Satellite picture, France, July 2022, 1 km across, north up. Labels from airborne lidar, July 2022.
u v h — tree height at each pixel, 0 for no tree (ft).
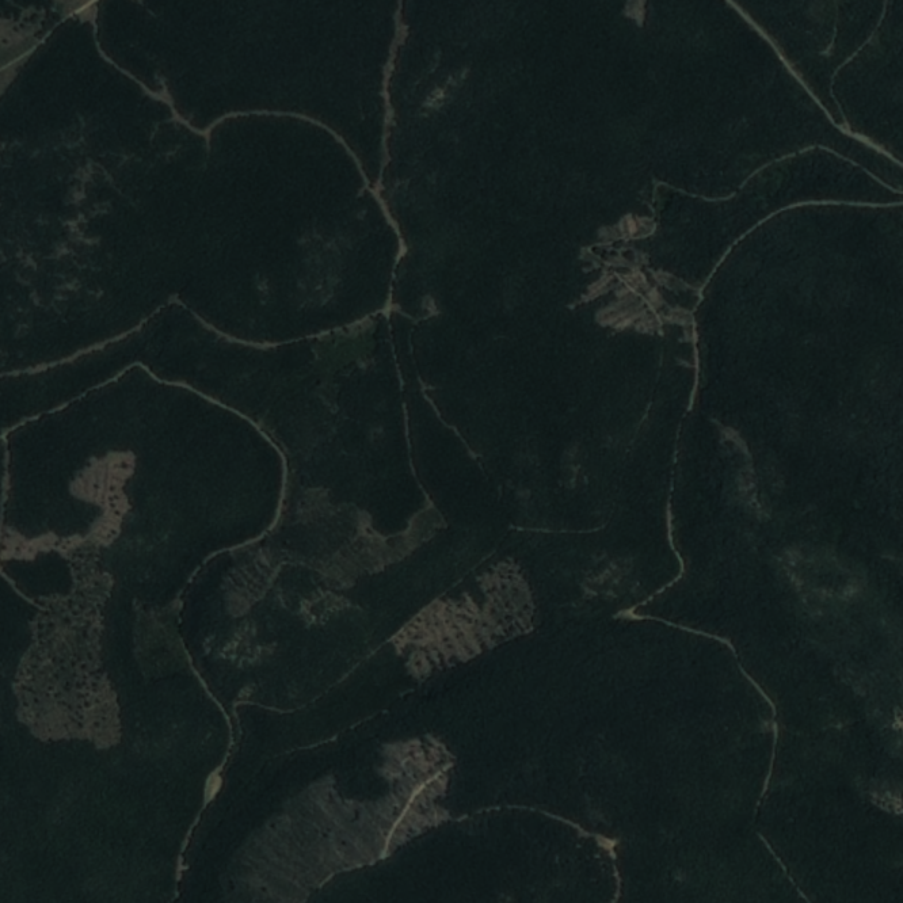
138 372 30
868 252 25
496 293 19
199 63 21
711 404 28
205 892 39
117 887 27
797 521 19
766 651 34
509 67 19
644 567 19
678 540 19
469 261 23
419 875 27
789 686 31
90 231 19
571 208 24
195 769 20
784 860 33
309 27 30
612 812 22
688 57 23
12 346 19
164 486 20
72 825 30
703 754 20
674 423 23
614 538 20
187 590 29
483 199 34
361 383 23
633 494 24
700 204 19
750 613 39
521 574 39
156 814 33
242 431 34
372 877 25
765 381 22
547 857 19
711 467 27
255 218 25
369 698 24
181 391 17
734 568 28
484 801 18
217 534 23
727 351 25
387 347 25
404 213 25
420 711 31
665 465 26
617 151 27
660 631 21
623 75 24
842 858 33
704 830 30
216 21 19
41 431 20
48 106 22
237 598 0
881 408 23
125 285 26
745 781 21
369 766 23
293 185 21
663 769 21
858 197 24
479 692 33
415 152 25
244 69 21
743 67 30
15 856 28
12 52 0
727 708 19
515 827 19
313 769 25
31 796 19
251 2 18
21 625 18
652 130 27
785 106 23
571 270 31
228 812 33
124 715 25
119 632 34
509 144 22
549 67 23
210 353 17
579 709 25
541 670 25
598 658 26
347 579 0
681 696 21
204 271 30
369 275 24
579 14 27
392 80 18
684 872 23
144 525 19
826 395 23
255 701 31
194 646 28
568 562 26
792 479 23
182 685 30
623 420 26
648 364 21
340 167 19
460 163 28
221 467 21
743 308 20
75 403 30
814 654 30
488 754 30
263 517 30
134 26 18
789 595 26
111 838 41
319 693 22
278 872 0
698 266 18
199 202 21
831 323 23
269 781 22
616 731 20
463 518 23
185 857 30
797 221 19
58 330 24
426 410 21
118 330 20
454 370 21
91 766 27
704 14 25
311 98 19
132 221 22
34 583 19
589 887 22
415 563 21
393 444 20
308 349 21
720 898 23
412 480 25
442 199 35
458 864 25
